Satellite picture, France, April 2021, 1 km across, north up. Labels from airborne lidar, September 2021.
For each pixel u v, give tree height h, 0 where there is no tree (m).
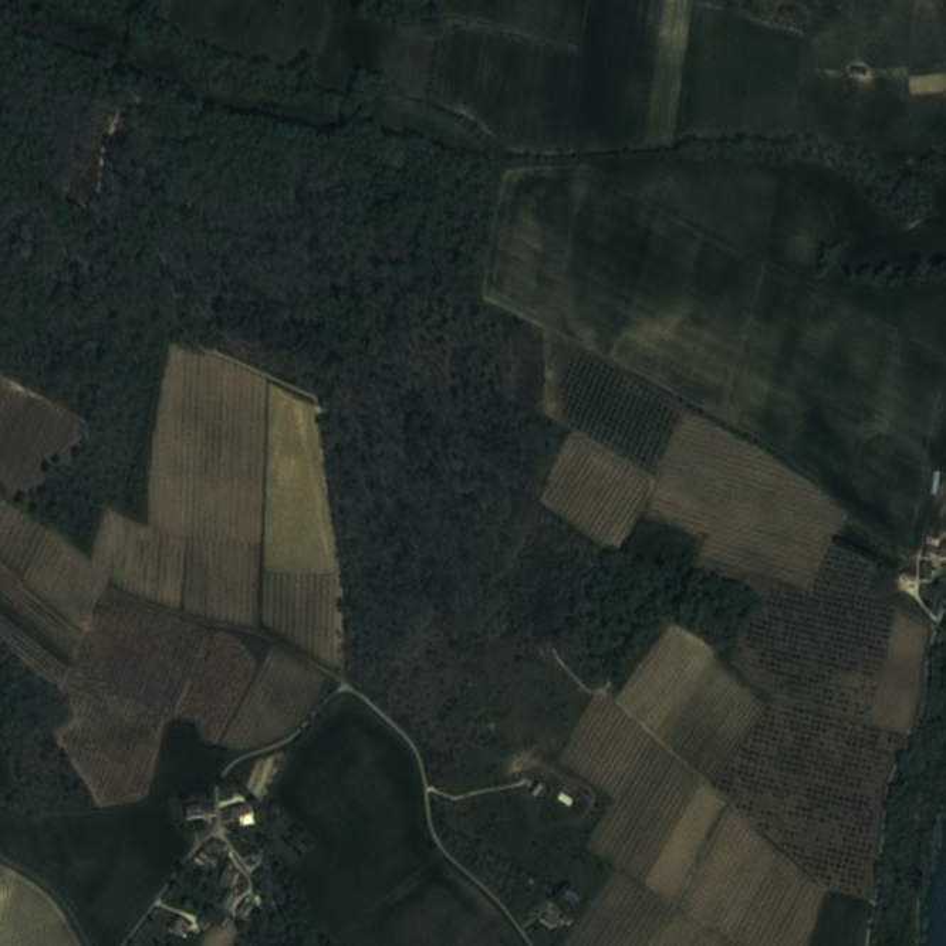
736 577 0
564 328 0
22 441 0
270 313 20
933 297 0
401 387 19
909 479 0
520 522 17
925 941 19
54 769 9
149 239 16
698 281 0
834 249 7
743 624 15
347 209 18
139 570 0
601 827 0
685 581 10
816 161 13
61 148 14
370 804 0
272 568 0
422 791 0
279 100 18
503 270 0
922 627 0
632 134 0
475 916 0
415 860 0
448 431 18
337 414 12
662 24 0
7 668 17
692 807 0
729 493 0
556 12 0
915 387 0
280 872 8
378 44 0
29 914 0
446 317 13
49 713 19
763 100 0
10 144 24
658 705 0
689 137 0
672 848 0
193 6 0
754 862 0
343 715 0
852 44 0
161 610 0
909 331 0
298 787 0
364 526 15
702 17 0
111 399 17
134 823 0
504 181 12
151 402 7
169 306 19
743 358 0
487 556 18
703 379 0
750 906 0
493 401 17
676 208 0
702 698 0
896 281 11
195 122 23
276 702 0
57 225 19
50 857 0
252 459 0
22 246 15
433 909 0
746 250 0
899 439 0
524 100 0
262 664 0
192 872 6
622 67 0
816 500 0
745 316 0
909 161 0
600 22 0
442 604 19
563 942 8
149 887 0
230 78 16
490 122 0
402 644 18
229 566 0
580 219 0
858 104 0
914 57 0
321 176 18
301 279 20
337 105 22
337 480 12
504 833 0
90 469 16
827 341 0
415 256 16
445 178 19
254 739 0
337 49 0
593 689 15
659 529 7
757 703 0
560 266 0
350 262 24
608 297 0
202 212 18
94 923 0
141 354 22
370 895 0
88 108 15
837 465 0
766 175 0
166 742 0
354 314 20
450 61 0
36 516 13
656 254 0
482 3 0
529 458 13
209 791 0
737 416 0
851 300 0
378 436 17
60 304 18
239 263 20
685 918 0
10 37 26
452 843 12
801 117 0
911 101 0
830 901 0
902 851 20
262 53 0
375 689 11
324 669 0
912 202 9
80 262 14
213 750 7
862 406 0
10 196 19
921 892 25
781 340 0
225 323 19
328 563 0
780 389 0
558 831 0
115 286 19
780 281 0
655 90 0
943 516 0
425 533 18
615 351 0
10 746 13
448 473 16
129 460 16
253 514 0
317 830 0
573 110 0
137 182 18
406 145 19
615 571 23
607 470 0
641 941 0
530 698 0
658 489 0
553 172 0
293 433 0
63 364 20
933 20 0
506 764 0
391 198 21
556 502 0
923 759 16
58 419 0
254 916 11
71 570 0
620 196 0
